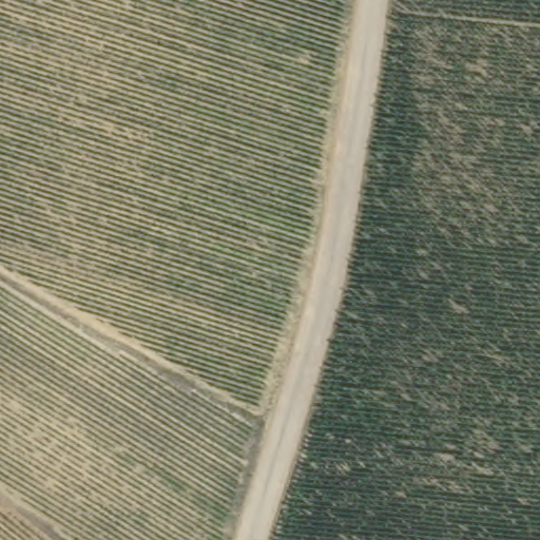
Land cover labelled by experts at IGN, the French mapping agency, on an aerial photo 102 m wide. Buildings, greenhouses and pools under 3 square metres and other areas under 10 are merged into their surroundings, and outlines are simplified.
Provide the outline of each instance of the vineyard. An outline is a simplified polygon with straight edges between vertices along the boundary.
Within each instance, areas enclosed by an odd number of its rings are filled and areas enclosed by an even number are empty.
[[[283,494],[270,540],[540,540],[540,0],[388,0],[386,42],[382,53],[382,72],[375,95],[373,127],[367,146],[359,219],[354,228],[354,243],[348,264],[348,281],[333,325],[333,335],[329,340],[321,380],[312,399],[310,418],[302,432],[295,464],[291,468],[289,485]]]
[[[344,95],[344,80],[348,74],[350,44],[346,40],[352,36],[354,0],[0,0],[0,540],[234,540],[245,498],[251,487],[253,473],[257,468],[264,428],[274,418],[310,293],[312,270],[319,255],[319,236],[325,217],[323,200],[327,188],[331,186],[338,114]]]

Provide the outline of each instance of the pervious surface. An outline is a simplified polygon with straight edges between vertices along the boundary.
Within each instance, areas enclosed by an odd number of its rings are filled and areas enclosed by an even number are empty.
[[[333,325],[348,281],[348,264],[354,243],[354,228],[359,219],[367,146],[373,127],[375,95],[382,72],[382,53],[386,42],[388,0],[354,0],[352,36],[346,40],[350,44],[348,74],[344,80],[344,95],[338,114],[331,186],[327,188],[323,200],[325,217],[319,236],[319,255],[312,270],[310,293],[274,418],[264,428],[257,468],[253,473],[251,487],[245,498],[234,540],[270,540],[283,494],[289,485],[291,468],[295,464],[302,432],[310,418],[312,399],[321,380],[329,340],[333,335]]]

